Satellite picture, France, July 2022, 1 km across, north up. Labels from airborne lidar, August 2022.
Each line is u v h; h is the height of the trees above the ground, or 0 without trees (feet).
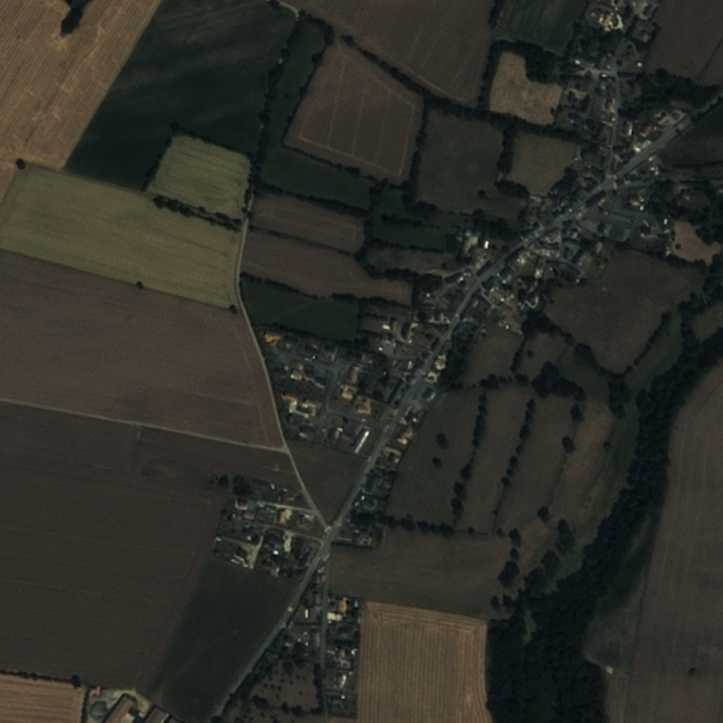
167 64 0
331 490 0
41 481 0
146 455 0
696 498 0
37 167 0
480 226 48
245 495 22
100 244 0
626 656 0
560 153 0
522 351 23
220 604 0
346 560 0
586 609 49
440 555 0
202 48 0
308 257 0
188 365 0
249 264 0
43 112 0
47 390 0
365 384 41
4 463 0
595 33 20
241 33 0
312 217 0
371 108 0
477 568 0
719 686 0
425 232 0
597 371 32
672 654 0
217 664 0
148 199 0
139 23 0
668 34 0
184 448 0
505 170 48
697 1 0
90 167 0
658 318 0
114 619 0
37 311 0
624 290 0
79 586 0
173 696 0
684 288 0
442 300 0
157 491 0
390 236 0
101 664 0
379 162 0
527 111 0
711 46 0
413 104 0
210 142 28
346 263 0
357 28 0
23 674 26
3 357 0
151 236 0
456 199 0
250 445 0
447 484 0
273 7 37
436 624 0
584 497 0
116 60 0
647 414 53
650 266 0
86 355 0
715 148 0
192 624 0
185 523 0
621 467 0
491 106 0
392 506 0
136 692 0
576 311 0
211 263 0
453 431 0
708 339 0
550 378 71
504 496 0
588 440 0
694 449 0
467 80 0
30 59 0
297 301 0
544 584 81
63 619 0
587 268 0
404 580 0
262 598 0
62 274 0
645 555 0
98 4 0
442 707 0
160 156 24
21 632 0
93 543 0
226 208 0
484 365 0
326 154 0
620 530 90
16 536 0
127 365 0
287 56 42
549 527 0
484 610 0
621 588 0
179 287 0
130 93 0
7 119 0
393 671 0
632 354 0
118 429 0
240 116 0
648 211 19
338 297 39
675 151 0
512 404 0
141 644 0
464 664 0
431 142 0
